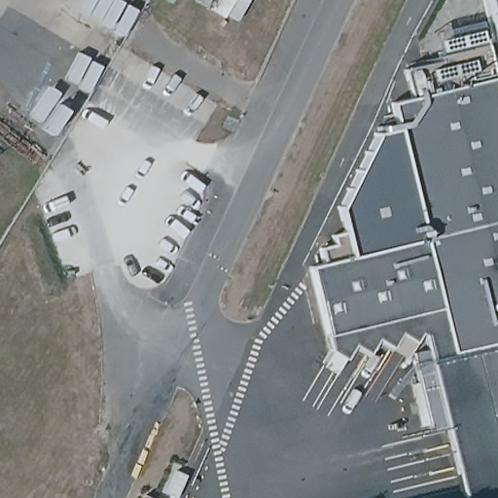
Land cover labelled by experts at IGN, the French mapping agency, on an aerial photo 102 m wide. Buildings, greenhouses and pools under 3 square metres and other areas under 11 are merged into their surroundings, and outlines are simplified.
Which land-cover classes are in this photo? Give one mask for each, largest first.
<instances>
[{"label":"impervious surface","instance_id":"1","mask_svg":"<svg viewBox=\"0 0 498 498\"><path fill-rule=\"evenodd\" d=\"M144 2L148 4L150 0H0V156L12 148H18L21 154L29 156L43 169L35 189L41 202L43 218H49L53 224L49 233L56 245L60 263L78 267L80 274L91 272L97 288L105 296V302L109 303L111 311L117 315V321L101 333L99 342L105 370L103 383L109 393L105 395V409L111 410V424L124 420L128 426L117 445L113 465L97 490V498H126L132 477L140 473L142 463L146 461V451L154 444V438L160 432L158 422L161 414L171 403L175 387L187 389V393L195 399L193 409L198 412L196 422L202 434V447L196 451L195 459L191 463V467L183 469L175 463L163 492H158L156 488L150 484L142 486V492H146L150 498H467L453 461L449 438L440 436L438 430L432 428L434 420L426 397L424 373L418 364V352H428V335L414 338L412 335H405L399 344L379 340L372 350H368L366 346H358L348 356L337 352L329 358L311 276L302 267V261L333 196L337 195L340 183L344 181L352 160L356 158L360 142L372 124L377 105L383 103L389 109L397 101L410 99L405 70L438 62V53L420 54L418 51L430 27L438 29L447 21H451V27L455 29L484 21L488 16L484 14L482 0H409L395 31L391 33L385 53L373 72L372 80L358 105L350 128L338 148L335 161L325 177V183L317 193L307 222L298 237V243L286 263L284 272L276 282L270 302L261 311V315H249V323L243 325L233 323L228 317H224L218 305L222 284L228 280L226 268L231 267L245 239L247 228L267 193L274 169L288 146V140L296 124L300 121L305 101L323 70V64L338 37V29L342 27L344 18L352 6V0H296L290 18L282 29V35L268 58L261 82H247L239 80L237 76L228 78L226 74H220L218 70L222 68V62L214 54H195L189 51L185 43H169L161 35L156 21L150 19V8L144 6ZM231 107L245 111L243 123H231L228 126L231 136L214 144L196 142L200 128L208 123L214 109ZM344 231L340 216L335 212L323 233L337 235Z\"/></svg>","mask_w":498,"mask_h":498},{"label":"herbaceous vegetation","instance_id":"2","mask_svg":"<svg viewBox=\"0 0 498 498\"><path fill-rule=\"evenodd\" d=\"M296 0H150L148 4L144 2V6L150 8V19L156 21L161 35L169 43H185L189 51L195 54H214L222 62V68L218 70L220 74H226L228 78L237 76L239 80L247 82H261L268 58L282 35V29L290 18ZM409 0H352V6L344 18L342 27L338 29V37L323 64V70L305 101L300 121L296 124L288 140V146L274 169L267 193L247 228L245 239L231 267L226 268L228 280L222 284L218 305L224 317H228L233 323L243 325L249 323V315H261V311L270 302L276 282L284 272L286 263L298 243V237L307 222L317 193L325 183V177L335 161L338 148L350 128L358 105L372 80L373 72L385 53L391 33L395 31ZM245 111L231 107L214 109L208 123L200 128L196 142L214 144L231 136L228 126L231 123H243ZM43 169L29 156L21 154L18 148H12L0 156V498H97V490L113 465L117 445L128 426L124 420L111 424V410L105 409V395L109 393L103 383L105 370L99 342L101 333L117 321V315L111 311L109 303L105 302V296L97 288L91 272L80 274L78 267L60 263L56 245L49 233L53 224L49 218H43L41 202L35 189ZM195 399L187 393V389L175 387L171 403L161 414L158 422L160 432L154 438V444L146 451V461L142 463L140 473L132 477L126 498H150L146 492H142V486L150 484L156 488L171 455H181L191 463L195 459L196 451L202 447V434L196 422L198 412L193 409Z\"/></svg>","mask_w":498,"mask_h":498},{"label":"building","instance_id":"3","mask_svg":"<svg viewBox=\"0 0 498 498\"><path fill-rule=\"evenodd\" d=\"M484 14L488 16L484 21L455 29L451 27V21H447L438 29L430 27L418 51L420 54L438 53V62L405 70L410 99L397 101L389 109L383 103L377 105L372 124L360 142L356 158L352 160L344 181L340 183L337 195L333 196L302 261V267L311 276L329 358L337 352L348 356L358 346H366L368 350H372L379 340L399 344L405 335H412L414 338L428 335V352H418V364L424 373L426 397L434 420L432 428L438 430L440 436L449 438L453 461L467 498H498V0H482ZM335 212L340 216L344 231L337 235L323 233Z\"/></svg>","mask_w":498,"mask_h":498},{"label":"brushwood","instance_id":"4","mask_svg":"<svg viewBox=\"0 0 498 498\"><path fill-rule=\"evenodd\" d=\"M175 463L183 469L191 467V463L181 455H171L156 488L158 492H163Z\"/></svg>","mask_w":498,"mask_h":498}]
</instances>
